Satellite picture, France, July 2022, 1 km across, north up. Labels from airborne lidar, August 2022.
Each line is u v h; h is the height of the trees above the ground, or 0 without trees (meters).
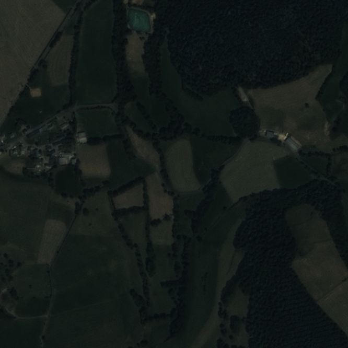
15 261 0
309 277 0
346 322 0
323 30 27
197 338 0
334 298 0
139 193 0
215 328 0
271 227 16
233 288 24
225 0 9
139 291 0
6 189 0
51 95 0
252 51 18
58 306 0
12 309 0
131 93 18
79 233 0
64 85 0
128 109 0
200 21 14
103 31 0
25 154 0
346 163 0
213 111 0
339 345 19
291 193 18
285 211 13
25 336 0
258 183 0
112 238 0
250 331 17
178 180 0
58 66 0
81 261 0
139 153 0
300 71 17
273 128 0
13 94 0
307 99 0
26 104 0
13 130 0
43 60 12
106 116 0
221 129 0
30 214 0
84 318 0
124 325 0
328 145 0
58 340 0
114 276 0
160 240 0
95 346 0
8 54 0
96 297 0
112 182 0
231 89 8
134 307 0
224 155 0
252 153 0
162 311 0
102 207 0
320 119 0
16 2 0
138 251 8
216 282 0
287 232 19
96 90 0
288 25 17
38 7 0
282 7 20
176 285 19
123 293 0
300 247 0
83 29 0
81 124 0
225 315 20
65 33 0
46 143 0
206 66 18
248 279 19
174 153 0
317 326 16
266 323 12
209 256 0
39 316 0
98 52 0
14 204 0
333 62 9
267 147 0
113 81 0
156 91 19
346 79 19
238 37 15
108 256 0
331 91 0
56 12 0
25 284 0
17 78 0
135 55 0
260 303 17
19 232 0
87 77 0
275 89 0
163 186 13
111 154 0
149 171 0
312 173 16
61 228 0
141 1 0
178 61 23
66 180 0
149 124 14
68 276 0
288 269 15
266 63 16
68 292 0
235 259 0
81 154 0
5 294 0
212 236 0
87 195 15
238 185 0
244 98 0
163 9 23
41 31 0
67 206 0
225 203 0
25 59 0
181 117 21
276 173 0
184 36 28
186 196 0
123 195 0
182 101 0
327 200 18
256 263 19
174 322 13
